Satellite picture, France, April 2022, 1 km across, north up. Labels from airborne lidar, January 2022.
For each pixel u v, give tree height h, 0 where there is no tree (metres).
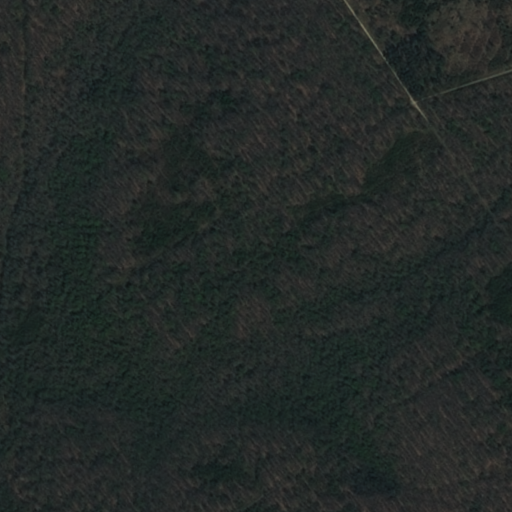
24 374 24
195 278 26
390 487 21
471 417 24
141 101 29
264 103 30
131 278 0
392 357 25
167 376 20
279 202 25
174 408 23
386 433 22
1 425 10
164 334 27
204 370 24
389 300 25
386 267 21
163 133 28
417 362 28
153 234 6
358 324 24
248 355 27
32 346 16
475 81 0
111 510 23
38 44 29
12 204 33
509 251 24
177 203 26
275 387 26
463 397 24
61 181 19
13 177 27
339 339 23
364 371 27
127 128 25
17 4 29
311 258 24
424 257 9
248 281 23
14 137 27
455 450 23
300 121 10
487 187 26
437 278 23
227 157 27
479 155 22
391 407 25
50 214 23
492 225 27
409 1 7
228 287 27
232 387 30
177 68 27
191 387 21
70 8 29
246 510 0
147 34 19
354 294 11
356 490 17
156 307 25
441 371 23
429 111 24
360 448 20
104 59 27
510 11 0
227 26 31
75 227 22
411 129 25
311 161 20
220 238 25
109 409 27
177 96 31
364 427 22
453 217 29
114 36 26
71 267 19
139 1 27
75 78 35
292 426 21
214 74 11
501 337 18
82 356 18
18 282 24
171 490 26
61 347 22
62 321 22
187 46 24
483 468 26
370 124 28
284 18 29
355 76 17
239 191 23
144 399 23
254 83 32
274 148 28
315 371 23
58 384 28
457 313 25
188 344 25
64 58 27
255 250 12
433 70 31
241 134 27
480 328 26
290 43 32
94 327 18
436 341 30
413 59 31
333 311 27
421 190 25
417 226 31
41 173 25
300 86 29
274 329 23
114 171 28
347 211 25
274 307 28
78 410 27
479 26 0
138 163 24
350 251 27
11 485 28
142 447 0
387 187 7
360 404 26
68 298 22
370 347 21
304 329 22
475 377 24
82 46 28
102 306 19
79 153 23
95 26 24
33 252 6
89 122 24
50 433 24
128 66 20
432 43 32
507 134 29
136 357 22
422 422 25
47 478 27
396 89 27
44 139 28
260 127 29
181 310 25
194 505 23
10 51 20
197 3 32
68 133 25
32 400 25
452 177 27
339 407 18
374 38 0
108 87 24
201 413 28
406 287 25
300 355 29
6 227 30
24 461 23
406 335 24
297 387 26
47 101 30
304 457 24
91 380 32
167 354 24
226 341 23
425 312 23
